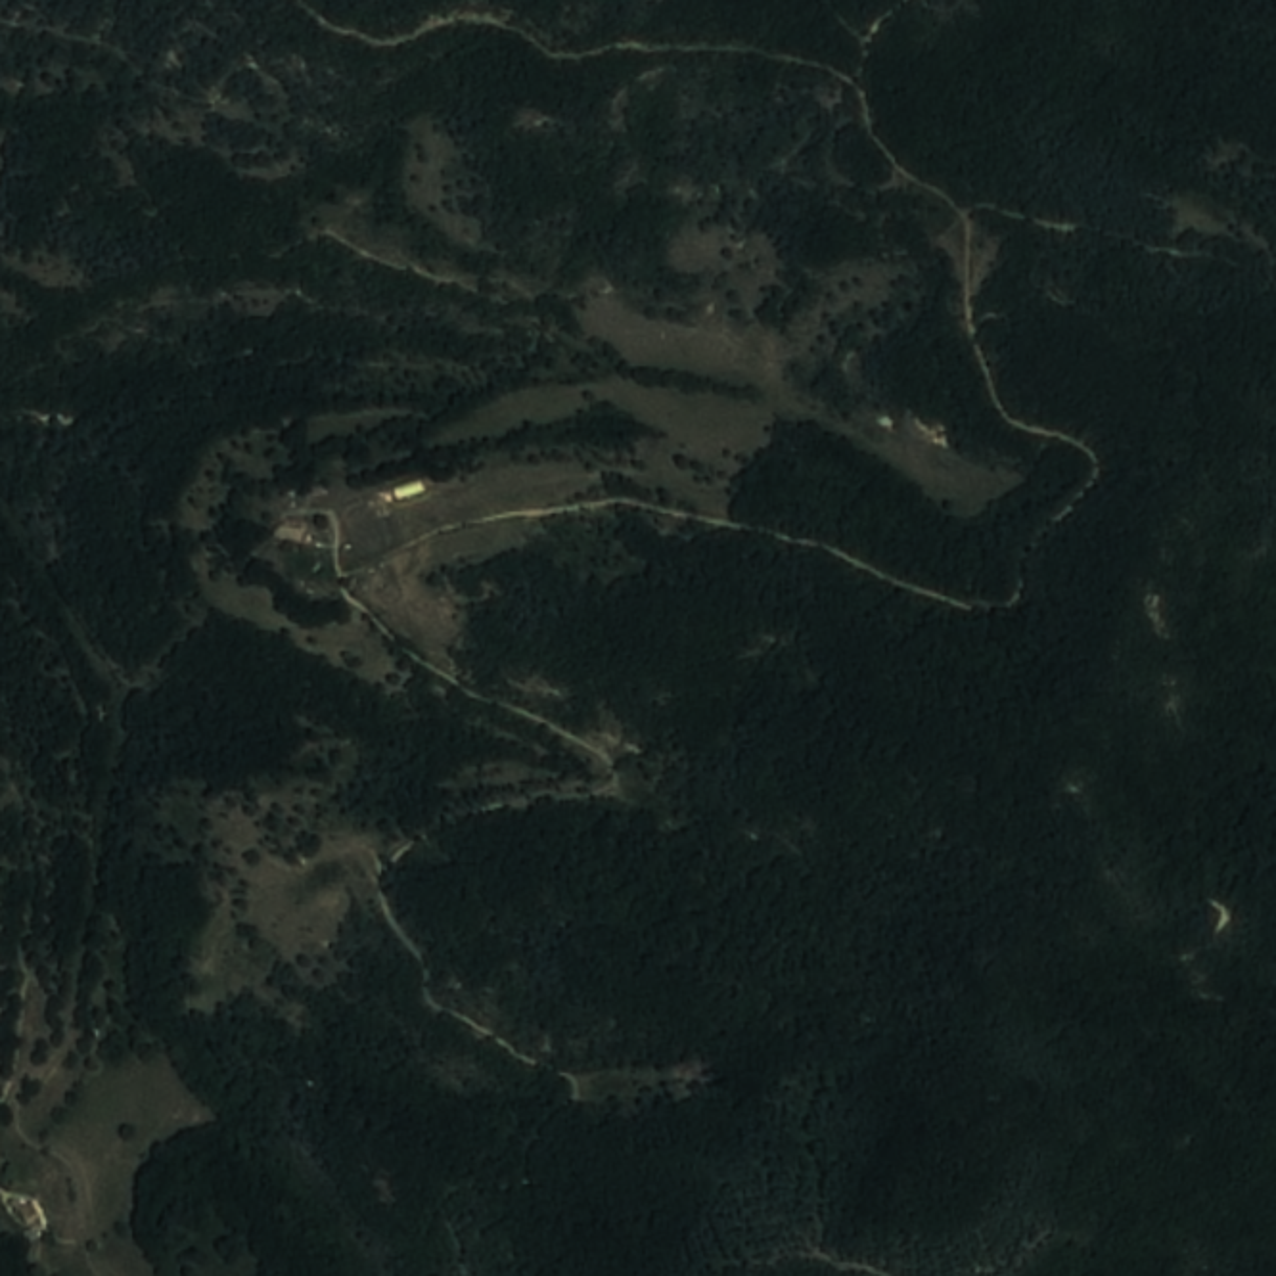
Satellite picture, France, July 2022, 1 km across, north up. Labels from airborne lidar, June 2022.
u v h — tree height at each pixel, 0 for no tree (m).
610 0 6
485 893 13
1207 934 6
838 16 10
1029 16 11
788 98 12
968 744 13
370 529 0
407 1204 11
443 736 12
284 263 13
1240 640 12
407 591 0
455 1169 14
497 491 0
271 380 8
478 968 11
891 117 12
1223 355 13
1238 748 17
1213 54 10
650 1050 8
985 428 8
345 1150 10
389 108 10
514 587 11
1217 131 9
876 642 15
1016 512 8
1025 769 10
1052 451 10
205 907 12
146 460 13
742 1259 16
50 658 9
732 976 11
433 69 12
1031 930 9
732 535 8
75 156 11
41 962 17
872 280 0
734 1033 9
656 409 0
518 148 8
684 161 10
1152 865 10
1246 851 13
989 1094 12
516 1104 15
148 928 10
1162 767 8
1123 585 9
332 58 7
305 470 9
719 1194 16
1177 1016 10
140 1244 12
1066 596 7
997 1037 11
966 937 9
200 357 6
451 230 0
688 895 13
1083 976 8
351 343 14
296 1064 11
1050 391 8
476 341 9
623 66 9
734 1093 16
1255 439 11
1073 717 9
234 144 7
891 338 8
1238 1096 7
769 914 8
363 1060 15
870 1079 18
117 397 12
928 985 12
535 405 0
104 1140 0
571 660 11
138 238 14
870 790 9
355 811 10
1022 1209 12
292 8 7
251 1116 11
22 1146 6
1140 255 11
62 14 12
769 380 0
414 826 14
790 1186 15
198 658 14
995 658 5
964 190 9
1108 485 6
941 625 16
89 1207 0
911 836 8
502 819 11
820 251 13
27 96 12
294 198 11
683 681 8
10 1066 11
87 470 10
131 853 17
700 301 0
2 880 11
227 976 0
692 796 9
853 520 13
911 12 9
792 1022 6
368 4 8
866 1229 14
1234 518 11
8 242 11
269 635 10
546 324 8
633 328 0
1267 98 12
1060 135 8
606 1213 20
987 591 12
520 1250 12
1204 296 9
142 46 6
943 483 0
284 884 0
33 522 10
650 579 13
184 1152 12
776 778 8
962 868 13
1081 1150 11
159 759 10
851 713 19
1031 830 9
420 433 12
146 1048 14
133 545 13
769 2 6
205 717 11
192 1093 12
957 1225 12
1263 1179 15
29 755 14
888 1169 19
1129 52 10
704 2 6
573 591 12
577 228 9
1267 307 13
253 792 12
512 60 12
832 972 11
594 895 12
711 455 0
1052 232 8
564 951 10
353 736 10
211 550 9
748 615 12
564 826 10
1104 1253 13
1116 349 9
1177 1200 12
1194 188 8
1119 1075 13
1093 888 7
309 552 0
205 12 6
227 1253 15
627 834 9
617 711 12
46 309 12
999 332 9
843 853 10
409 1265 12
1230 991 8
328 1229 7
